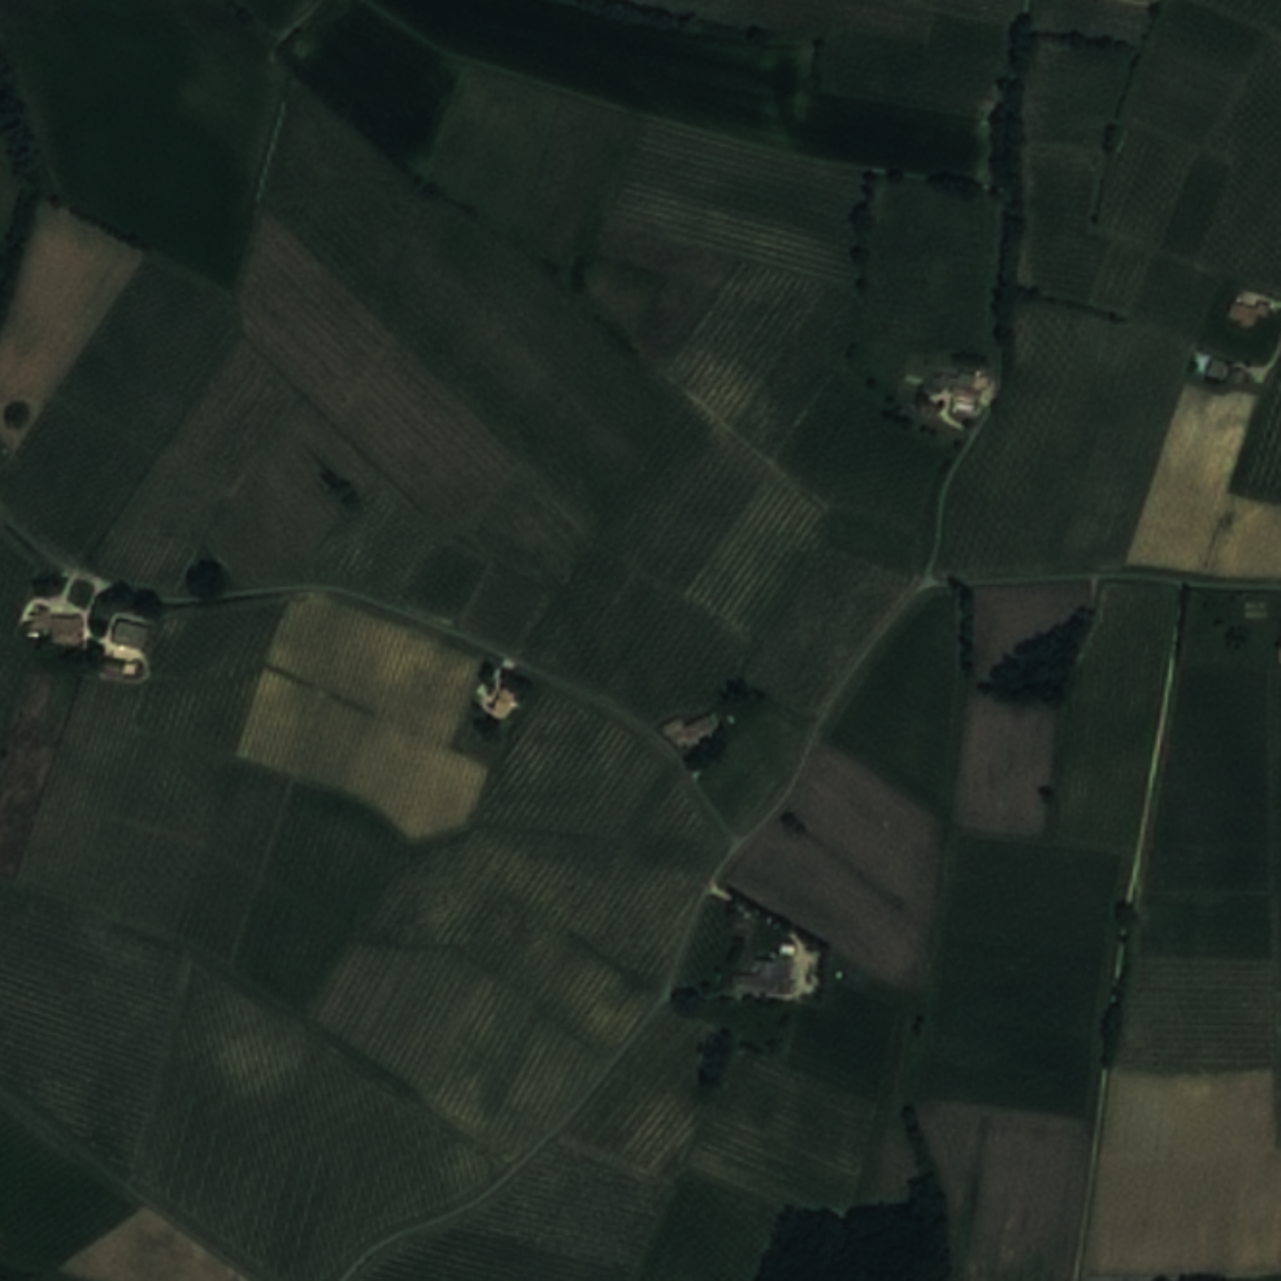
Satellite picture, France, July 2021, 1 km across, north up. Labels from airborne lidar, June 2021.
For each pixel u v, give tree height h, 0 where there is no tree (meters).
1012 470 0
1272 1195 0
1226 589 0
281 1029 0
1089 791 0
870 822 0
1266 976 0
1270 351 0
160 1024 0
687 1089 0
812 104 0
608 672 0
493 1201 0
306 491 0
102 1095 0
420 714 0
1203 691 0
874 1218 21
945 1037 0
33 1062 0
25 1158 0
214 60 0
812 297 0
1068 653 16
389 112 0
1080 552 0
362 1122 0
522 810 0
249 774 0
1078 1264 0
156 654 0
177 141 0
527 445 0
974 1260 0
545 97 0
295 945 0
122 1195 0
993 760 0
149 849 0
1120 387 0
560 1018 0
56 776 0
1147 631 0
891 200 0
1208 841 0
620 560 0
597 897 0
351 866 0
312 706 0
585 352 0
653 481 0
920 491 0
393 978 0
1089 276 0
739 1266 0
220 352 0
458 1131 0
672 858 0
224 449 0
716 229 0
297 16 0
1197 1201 0
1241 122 0
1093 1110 0
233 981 0
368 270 0
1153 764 0
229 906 0
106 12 0
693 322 0
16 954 0
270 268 0
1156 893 0
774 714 0
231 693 0
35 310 0
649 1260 0
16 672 0
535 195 0
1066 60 0
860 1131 0
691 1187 0
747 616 0
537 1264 0
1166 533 0
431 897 0
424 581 0
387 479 0
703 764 12
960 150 0
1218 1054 0
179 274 0
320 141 0
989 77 0
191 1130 0
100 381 0
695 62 0
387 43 0
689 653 0
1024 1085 0
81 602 0
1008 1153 0
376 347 0
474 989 0
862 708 0
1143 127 0
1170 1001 0
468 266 0
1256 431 0
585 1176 0
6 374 0
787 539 0
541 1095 0
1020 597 0
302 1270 0
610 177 0
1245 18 0
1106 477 0
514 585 0
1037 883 0
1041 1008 0
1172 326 0
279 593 0
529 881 0
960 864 0
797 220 0
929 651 0
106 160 0
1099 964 0
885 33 0
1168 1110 0
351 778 0
